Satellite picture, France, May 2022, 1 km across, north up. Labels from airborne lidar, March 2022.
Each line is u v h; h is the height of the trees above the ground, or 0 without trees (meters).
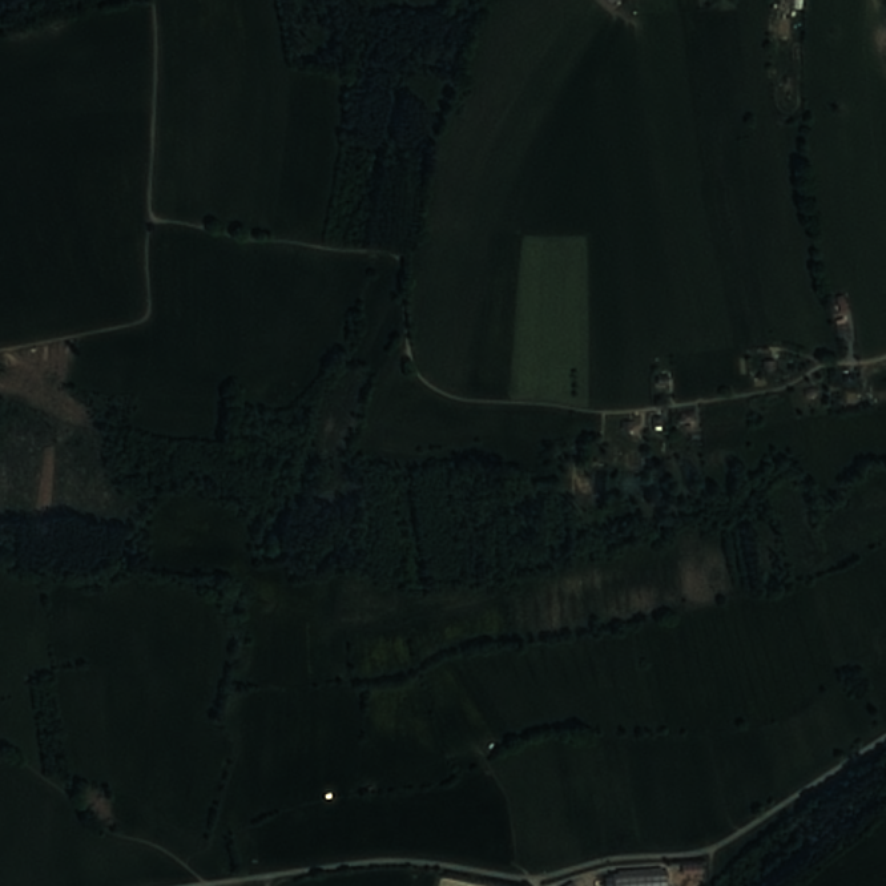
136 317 0
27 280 0
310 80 0
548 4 0
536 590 0
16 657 0
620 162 0
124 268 0
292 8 19
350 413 0
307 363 0
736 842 0
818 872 7
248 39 0
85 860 0
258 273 0
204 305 0
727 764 0
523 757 0
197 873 0
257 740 0
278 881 0
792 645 0
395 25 18
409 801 0
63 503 0
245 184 0
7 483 0
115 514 0
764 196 0
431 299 0
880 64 0
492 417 0
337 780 0
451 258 0
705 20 0
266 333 0
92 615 0
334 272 0
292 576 7
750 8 0
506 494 21
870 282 0
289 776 0
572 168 0
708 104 0
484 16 19
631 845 0
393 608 0
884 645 0
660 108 0
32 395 0
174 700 0
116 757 0
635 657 0
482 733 0
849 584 0
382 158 24
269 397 0
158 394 0
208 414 0
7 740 0
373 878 0
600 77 0
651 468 13
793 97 0
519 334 0
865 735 0
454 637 0
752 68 0
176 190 0
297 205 0
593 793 0
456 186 0
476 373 0
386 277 0
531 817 0
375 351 0
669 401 10
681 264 0
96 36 0
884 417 0
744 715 0
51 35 0
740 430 0
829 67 0
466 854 0
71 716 0
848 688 9
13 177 0
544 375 0
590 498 0
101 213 0
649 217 0
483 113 0
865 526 0
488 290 0
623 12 0
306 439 22
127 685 0
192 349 0
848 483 19
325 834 0
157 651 0
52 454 0
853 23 0
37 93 0
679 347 0
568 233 0
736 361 0
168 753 0
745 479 21
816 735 0
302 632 0
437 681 0
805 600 0
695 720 0
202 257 0
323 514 25
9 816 0
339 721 0
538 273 0
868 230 0
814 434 0
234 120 0
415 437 0
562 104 0
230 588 23
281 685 0
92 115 0
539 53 0
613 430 0
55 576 20
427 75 27
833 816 24
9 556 29
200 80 0
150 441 9
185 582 13
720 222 0
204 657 0
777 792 0
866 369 0
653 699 0
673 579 0
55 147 0
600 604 0
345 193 9
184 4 0
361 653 0
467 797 0
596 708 0
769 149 0
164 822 0
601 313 0
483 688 0
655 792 0
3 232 0
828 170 0
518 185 0
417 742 0
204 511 0
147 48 0
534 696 0
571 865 0
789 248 0
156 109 0
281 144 0
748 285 0
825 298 21
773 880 20
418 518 18
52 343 0
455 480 25
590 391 0
